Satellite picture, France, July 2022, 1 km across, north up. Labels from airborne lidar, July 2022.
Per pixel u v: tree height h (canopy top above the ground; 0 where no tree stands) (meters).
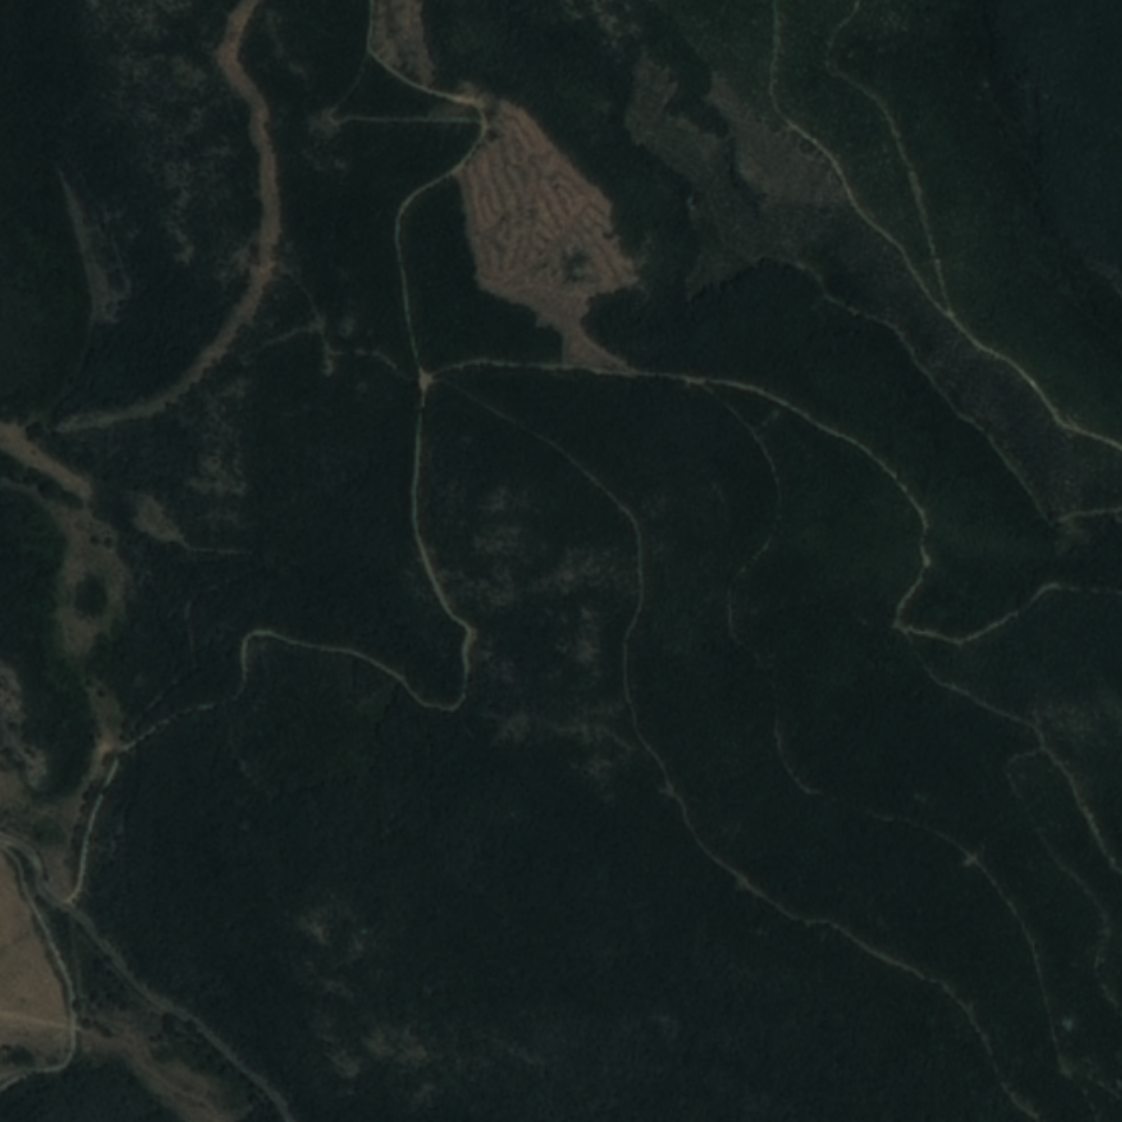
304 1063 6
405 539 6
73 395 6
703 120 6
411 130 6
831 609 6
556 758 6
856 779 6
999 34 11
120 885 6
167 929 6
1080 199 8
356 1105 9
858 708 7
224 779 9
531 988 7
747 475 6
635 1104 6
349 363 5
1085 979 7
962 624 8
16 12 6
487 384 7
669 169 9
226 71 0
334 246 6
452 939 11
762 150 0
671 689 9
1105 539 8
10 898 0
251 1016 9
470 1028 6
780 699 6
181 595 6
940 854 6
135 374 7
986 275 6
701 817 6
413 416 7
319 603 7
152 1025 0
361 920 6
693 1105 7
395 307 6
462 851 7
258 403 6
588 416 6
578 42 11
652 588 6
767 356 8
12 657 6
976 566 7
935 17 10
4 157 6
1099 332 6
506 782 6
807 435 6
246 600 6
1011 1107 6
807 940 6
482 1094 9
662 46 6
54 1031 0
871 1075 9
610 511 5
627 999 8
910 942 6
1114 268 6
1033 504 6
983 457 6
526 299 0
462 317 7
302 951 6
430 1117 11
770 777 11
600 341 7
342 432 6
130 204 6
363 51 6
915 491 9
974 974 7
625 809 6
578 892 8
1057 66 8
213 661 8
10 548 9
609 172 9
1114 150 8
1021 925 6
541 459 5
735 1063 7
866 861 6
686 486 6
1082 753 6
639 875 7
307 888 7
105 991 6
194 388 5
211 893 8
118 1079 7
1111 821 8
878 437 10
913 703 7
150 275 6
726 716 5
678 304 13
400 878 6
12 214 7
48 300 7
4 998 0
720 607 8
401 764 10
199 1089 0
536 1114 9
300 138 6
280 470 9
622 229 7
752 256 0
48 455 0
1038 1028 7
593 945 7
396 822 8
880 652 7
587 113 6
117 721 0
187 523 6
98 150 6
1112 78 8
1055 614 5
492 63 6
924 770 6
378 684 7
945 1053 10
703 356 7
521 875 8
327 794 6
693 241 12
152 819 6
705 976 6
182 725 7
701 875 6
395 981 6
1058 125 7
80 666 0
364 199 7
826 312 6
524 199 0
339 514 6
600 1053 8
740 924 5
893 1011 6
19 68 6
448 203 5
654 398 7
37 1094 8
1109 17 8
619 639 6
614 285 0
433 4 8
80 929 8
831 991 5
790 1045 8
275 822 7
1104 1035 6
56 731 9
